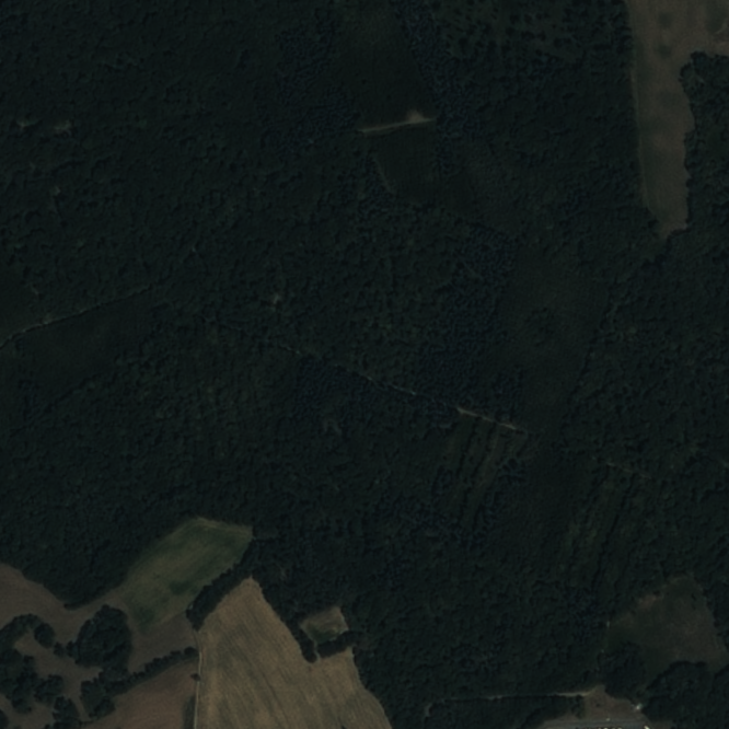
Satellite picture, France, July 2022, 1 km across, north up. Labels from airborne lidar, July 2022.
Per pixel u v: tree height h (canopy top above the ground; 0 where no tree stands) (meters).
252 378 17
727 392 18
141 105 23
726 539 24
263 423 13
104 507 17
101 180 22
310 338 19
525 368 12
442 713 17
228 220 22
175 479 21
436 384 17
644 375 27
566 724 0
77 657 16
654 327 20
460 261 24
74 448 20
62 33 23
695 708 18
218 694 0
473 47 24
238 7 20
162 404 18
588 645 22
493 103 17
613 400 21
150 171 20
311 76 21
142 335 11
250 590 0
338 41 9
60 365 9
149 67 25
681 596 0
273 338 19
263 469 19
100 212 24
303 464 21
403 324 18
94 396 21
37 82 21
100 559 20
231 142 21
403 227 20
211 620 0
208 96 21
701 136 17
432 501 11
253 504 18
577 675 15
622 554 12
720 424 25
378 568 20
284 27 18
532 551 11
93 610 0
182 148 21
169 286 20
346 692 0
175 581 0
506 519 16
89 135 22
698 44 0
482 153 13
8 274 11
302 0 23
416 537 19
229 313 24
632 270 19
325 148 23
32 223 24
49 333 9
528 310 9
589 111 25
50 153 22
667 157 0
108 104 27
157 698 0
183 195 22
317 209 14
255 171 22
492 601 20
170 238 18
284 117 16
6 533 22
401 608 20
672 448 19
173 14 22
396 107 8
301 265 21
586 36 20
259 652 0
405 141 8
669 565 25
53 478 23
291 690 0
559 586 19
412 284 21
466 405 22
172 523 20
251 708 0
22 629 14
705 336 18
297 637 10
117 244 24
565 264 17
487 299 23
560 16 0
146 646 0
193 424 19
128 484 20
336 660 0
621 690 19
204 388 17
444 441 22
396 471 18
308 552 24
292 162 20
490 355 13
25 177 22
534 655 21
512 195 15
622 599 22
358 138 21
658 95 0
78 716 14
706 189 18
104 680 17
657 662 0
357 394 19
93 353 11
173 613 0
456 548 20
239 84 22
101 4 23
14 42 26
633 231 21
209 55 22
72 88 22
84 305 20
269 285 17
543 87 20
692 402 21
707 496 11
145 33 25
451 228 19
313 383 17
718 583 21
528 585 21
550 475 16
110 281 20
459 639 18
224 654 0
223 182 19
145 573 0
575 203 20
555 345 10
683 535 22
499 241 23
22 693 20
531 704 17
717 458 21
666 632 0
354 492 23
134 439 15
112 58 26
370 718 0
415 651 16
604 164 16
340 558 19
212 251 20
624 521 13
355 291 21
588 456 15
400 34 6
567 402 11
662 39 0
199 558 0
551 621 19
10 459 24
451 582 23
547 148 20
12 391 14
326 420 14
